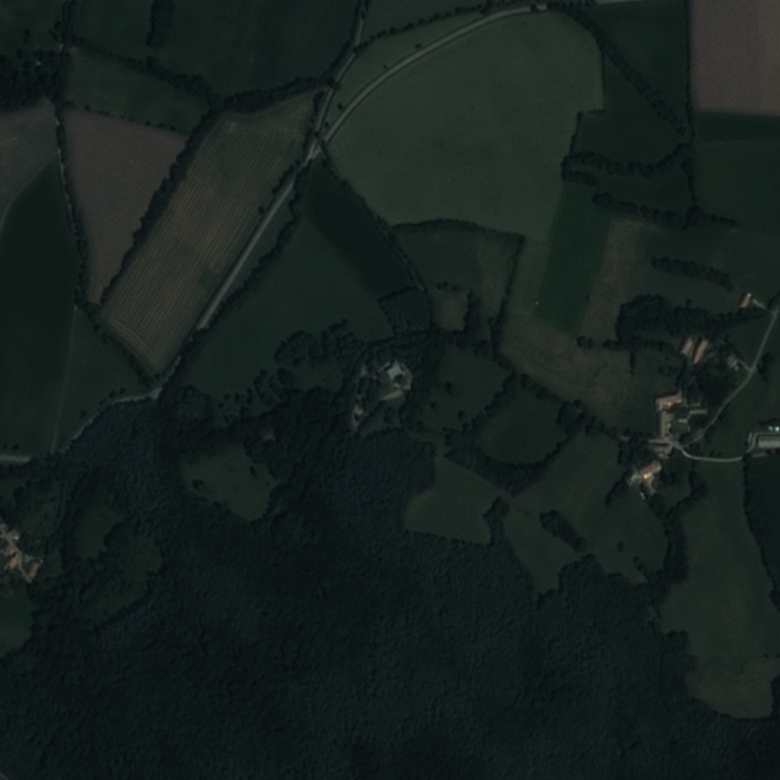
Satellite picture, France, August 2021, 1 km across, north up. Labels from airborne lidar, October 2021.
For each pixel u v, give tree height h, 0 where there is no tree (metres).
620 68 11
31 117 0
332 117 0
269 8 0
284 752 24
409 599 18
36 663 29
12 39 0
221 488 0
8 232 0
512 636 15
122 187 0
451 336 11
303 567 23
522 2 12
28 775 18
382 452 13
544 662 23
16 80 19
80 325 0
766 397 0
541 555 0
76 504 12
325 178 0
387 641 17
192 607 24
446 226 14
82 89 0
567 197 0
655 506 14
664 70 0
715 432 8
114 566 19
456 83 0
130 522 12
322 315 0
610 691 12
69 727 35
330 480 18
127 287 0
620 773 23
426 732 23
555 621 20
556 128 0
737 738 19
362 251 0
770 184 0
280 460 22
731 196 0
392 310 14
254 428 18
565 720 14
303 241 0
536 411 0
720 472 0
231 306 14
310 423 15
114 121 0
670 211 0
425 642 19
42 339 0
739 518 0
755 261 0
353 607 23
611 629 16
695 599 0
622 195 0
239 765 19
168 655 26
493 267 0
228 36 0
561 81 0
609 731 17
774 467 0
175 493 23
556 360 0
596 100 0
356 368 14
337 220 0
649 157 0
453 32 0
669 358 7
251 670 25
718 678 0
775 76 0
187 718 25
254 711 29
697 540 0
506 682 16
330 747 17
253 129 0
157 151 0
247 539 23
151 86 0
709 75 0
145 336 0
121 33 0
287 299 0
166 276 0
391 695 17
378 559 21
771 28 0
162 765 26
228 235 0
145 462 19
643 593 14
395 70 0
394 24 0
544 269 0
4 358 0
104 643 19
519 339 0
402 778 27
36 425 0
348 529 16
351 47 11
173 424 24
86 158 0
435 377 15
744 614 0
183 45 0
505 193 0
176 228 0
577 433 13
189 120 0
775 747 27
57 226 0
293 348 11
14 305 0
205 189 0
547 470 16
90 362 0
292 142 0
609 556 0
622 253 0
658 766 19
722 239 0
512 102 0
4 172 0
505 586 11
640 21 0
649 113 0
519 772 17
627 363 0
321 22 0
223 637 25
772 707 0
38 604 10
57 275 0
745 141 0
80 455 15
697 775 22
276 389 9
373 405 13
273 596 24
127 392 11
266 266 14
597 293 0
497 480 16
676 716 15
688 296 0
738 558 0
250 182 0
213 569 20
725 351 9
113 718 29
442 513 0
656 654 14
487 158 0
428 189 0
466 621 14
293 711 18
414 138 0
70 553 14
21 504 19
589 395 0
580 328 0
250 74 0
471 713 16
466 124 0
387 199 0
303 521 24
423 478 10
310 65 0
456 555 13
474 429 12
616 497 11
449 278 0
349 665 21
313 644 19
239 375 0
